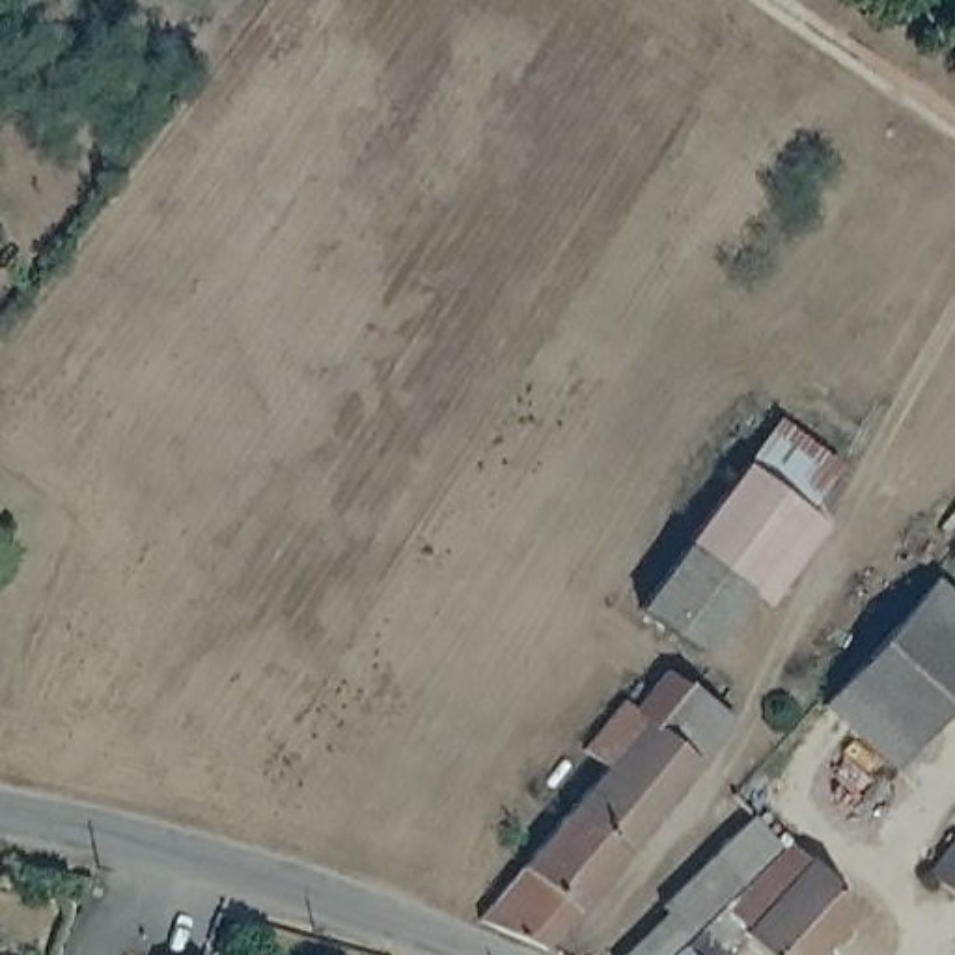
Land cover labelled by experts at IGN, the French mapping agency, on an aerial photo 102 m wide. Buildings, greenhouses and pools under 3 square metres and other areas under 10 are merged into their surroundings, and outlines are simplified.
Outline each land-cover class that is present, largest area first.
<instances>
[{"label":"agricultural land","instance_id":"1","mask_svg":"<svg viewBox=\"0 0 955 955\"><path fill-rule=\"evenodd\" d=\"M194 48L201 56L209 67L205 90L194 101H183L175 116L149 138V145L127 172L123 190L108 198V205L78 235L71 265L41 284L34 310L15 321L7 339H0V403H11L7 466L22 470L48 492L45 515L26 526H15L22 563L15 578L0 589V795L93 810L119 821L194 836L228 851H246L265 862H287L336 884L392 899L395 907L444 925H451V918H481V892L511 858L500 847V817L511 813L530 824L541 813V806L526 795V776L556 750V742L548 735H533L526 720H556L578 694L589 690L597 668H608L619 683H627V675H642L660 657L653 649V634L634 630L630 616L604 608V593L634 578L638 560L664 530L668 515L683 507V463L701 451V444L716 440L713 418L727 410L735 395L761 392L768 407L783 410L798 414L817 433H824V440L836 451L847 448L858 459L873 448L884 410L892 407L899 384L907 381L914 358L921 354L929 332L936 328L940 313L955 295V142L933 131L914 112H907L903 104H895L892 97H884L880 90H873L854 71L839 67L832 56L802 41L795 30L780 26L750 0H216L213 19L194 34ZM798 131H817L839 153V175L821 190V216L810 231L791 239L776 254V272L754 287L735 284L716 265V246L739 250L746 242V220H754L768 205L761 172L776 164V157ZM810 11L847 30L851 41L903 67L918 82H929L955 104V71L944 56L921 52L903 26L873 30L858 7H847L839 0H802Z\"/></svg>","mask_w":955,"mask_h":955},{"label":"herbaceous vegetation","instance_id":"2","mask_svg":"<svg viewBox=\"0 0 955 955\"><path fill-rule=\"evenodd\" d=\"M216 0H37L22 11V30H67L71 37H82L90 45V34L131 19L149 34L145 60H164L175 52H183L187 60L201 56L194 48V34L213 19ZM104 175V157L93 153L90 127H78L71 160L56 168L26 145L19 127H0V295L7 287L4 269L15 257L30 265L34 250L48 254L86 216L90 198ZM783 410L768 407L761 392L735 395L727 410L713 418L716 440L701 444V451L683 463V507L668 515L664 530L638 560L634 578L604 593V608L630 616L634 630L653 634V649L660 657L642 675H627V683H619L608 668H597L589 690L578 694L556 720H526L533 735H548L556 742V750L526 776V795L541 806V813L530 824L526 847L511 858L481 892V918H485L500 903L507 884L537 858V851L556 836V828L601 783L604 765L593 761V742L601 739V731L616 720L623 705H645L664 675H679L690 686H701L720 709H731L735 727L713 754L701 780L679 802V810L660 824L649 847L634 854L623 869V877L638 888H645L649 880L657 884L653 907L612 948L597 955H630L668 918L671 899L750 821H761L772 836H780L783 851L798 847L810 862L821 865L832 858L824 843L787 824L780 810H768L780 798L783 768L806 739L802 727L772 731L761 716V698L768 690H787L798 701V716L806 720L828 709L839 698V690L865 664H873V657L895 638V630L914 616V608L929 597L936 582L955 589V295L940 313L936 328L929 332L921 354L914 358L907 381L899 384L892 407L884 410L873 448L858 459L839 507L828 515L832 533L813 548V556L791 578L780 601H768L761 612H739L720 630L724 645L713 657L694 638H686L683 627L664 630V623H657L645 612V604H653L660 586L671 578V571L698 541V533L716 515V507L754 466V455L780 429ZM11 403H0V530L15 526H26L45 515L48 492L22 470L7 466ZM899 772L895 765H877L873 742L854 735L839 739L836 757L817 772L810 787L821 810H828L839 821H851L843 832L854 843H877L880 824L899 798ZM7 862L52 869L60 877H86L82 865H67L60 854L0 847V955H15L22 944H45L52 918L60 914L56 899L26 907L15 895L7 880ZM254 925L261 933L276 929V944L291 948V955H392L384 948L339 944L328 936H313L298 925L269 921L261 910L246 903H228L213 910L209 933L213 944L224 948L235 929ZM862 955H895L899 921L884 907H877L862 914L851 933Z\"/></svg>","mask_w":955,"mask_h":955},{"label":"building","instance_id":"3","mask_svg":"<svg viewBox=\"0 0 955 955\"><path fill-rule=\"evenodd\" d=\"M858 459L847 448L836 451L824 440V433H817L798 414L783 410L780 429L754 455V466L716 507V515L698 533V541L671 571V578L660 586L653 604H645V612L657 623H664V630L683 627L686 638H694L713 657L724 645L720 630L739 612H761L768 601H780L791 578L813 556V548L832 533L828 515L839 507ZM828 709L847 716V724H854V735L873 742L877 765H895L899 772L921 761L925 746L955 720V589L936 582L929 597L914 608V616L895 630V638L873 657V664H865L839 690V698ZM735 727L731 709H720L701 686H690L679 675H664L645 705H623L616 720L601 731V739L593 742V761L604 765L601 783L556 828V836L537 851V858L507 884L500 903L485 918L530 933L552 944L560 955H597L612 948L653 907L657 884L649 880L645 888H638L623 877V869L634 854L649 847L660 824L679 810V802L701 780L713 754ZM877 907L873 895L854 892L843 880L832 858L821 865L810 862L798 847L783 851L780 836H772L761 821H750L671 899L668 918L630 955H862L851 933L862 914ZM921 888L955 899V824H948L933 851L918 862Z\"/></svg>","mask_w":955,"mask_h":955},{"label":"deciduous trees","instance_id":"4","mask_svg":"<svg viewBox=\"0 0 955 955\"><path fill-rule=\"evenodd\" d=\"M37 0H0V127H19L26 145L56 168L71 160L78 127H90L93 153L104 157V175L90 198L86 216L48 254L34 250L30 265L15 257L4 269L7 287L0 295V339H7L15 321L34 310L41 284L71 265L78 235L108 205V198L123 190L127 172L149 145V138L175 116L183 101H194L205 90L209 67L201 56L187 60L183 52H175L164 60H145L149 34L131 19L90 34V45L82 37H71L67 30H22V11ZM847 7H858L873 30L903 26L921 52L944 56L955 71V0H839ZM839 175V153L817 131H798L776 157V164L761 172L768 205L780 213V228L791 239L810 231L821 216V190ZM22 563L15 526L0 530V589L15 578ZM761 716L772 731L802 727L806 720L798 716V701L787 690H768L761 698ZM530 824L511 813L500 817V847L511 858L526 847ZM7 880L15 895L26 907L56 899L60 914L78 921V910L101 895L97 884L86 877H60L52 869L7 862ZM216 955H291V948L276 944V929L261 933L254 925L235 929L224 948Z\"/></svg>","mask_w":955,"mask_h":955},{"label":"impervious surface","instance_id":"5","mask_svg":"<svg viewBox=\"0 0 955 955\"><path fill-rule=\"evenodd\" d=\"M0 847L60 854L67 865H82L86 877L97 884L101 895L78 910V921L67 955H216L224 948L213 944L209 933L213 910L228 903H246L261 910L269 921L298 925L313 936H328L339 944L384 948L392 955H560L552 944L530 933L485 918H451V925H444L395 907L392 899L336 884L287 862H265L246 851H228L194 836L119 821L93 810L0 795Z\"/></svg>","mask_w":955,"mask_h":955},{"label":"pervious surface","instance_id":"6","mask_svg":"<svg viewBox=\"0 0 955 955\"><path fill-rule=\"evenodd\" d=\"M780 26L795 30L802 41L832 56L839 67L854 71L873 90H880L884 97H892L895 104H903L907 112H914L933 131L955 142V104L929 82H918L903 67L851 41L847 30L810 11L802 0H750ZM802 727L806 739L783 768L780 798L768 810H780L787 824L824 843L832 858L843 880L854 892L873 895L877 907H884L899 921L895 955H955V899L921 888L918 862L933 851L948 824H955V720L925 746L921 761L899 772V798L880 824L877 843H854L843 832L851 821H839L828 810H821L810 787L817 772L836 757L839 739L854 735V724H847V716L828 709L806 720Z\"/></svg>","mask_w":955,"mask_h":955},{"label":"brushwood","instance_id":"7","mask_svg":"<svg viewBox=\"0 0 955 955\"><path fill-rule=\"evenodd\" d=\"M791 239L780 228V213L768 205L754 220H746V242L739 250L716 246V265L735 284L754 287L776 272V254ZM78 921L60 914L52 918L45 944H22L15 955H67Z\"/></svg>","mask_w":955,"mask_h":955}]
</instances>
